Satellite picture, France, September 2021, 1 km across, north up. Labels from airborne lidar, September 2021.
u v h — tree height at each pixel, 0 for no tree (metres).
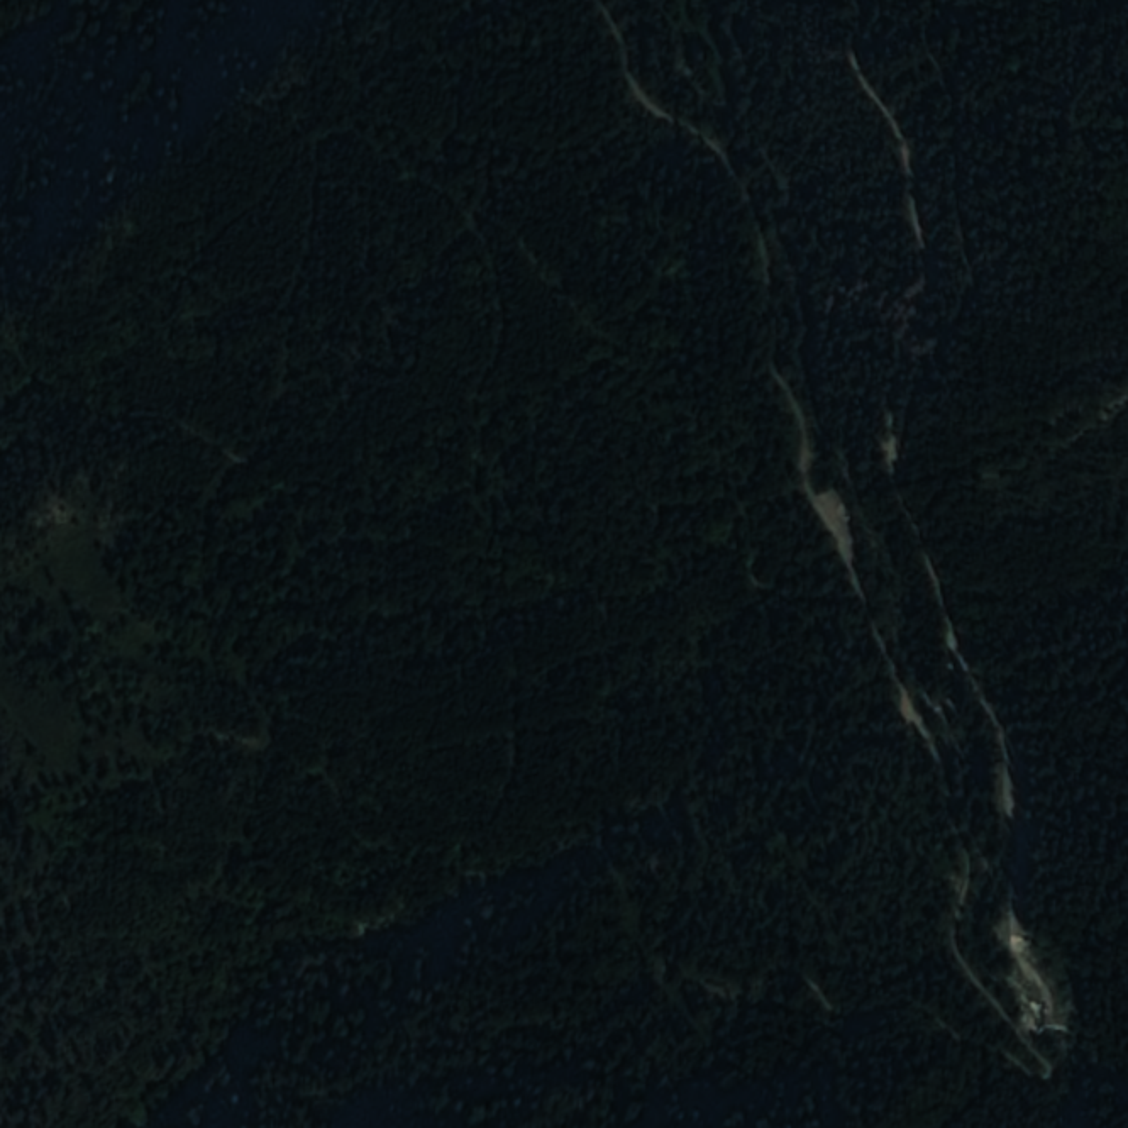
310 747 15
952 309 25
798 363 6
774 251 8
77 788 17
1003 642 11
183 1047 11
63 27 8
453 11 16
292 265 14
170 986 6
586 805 22
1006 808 0
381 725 16
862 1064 14
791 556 19
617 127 13
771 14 19
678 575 9
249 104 8
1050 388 15
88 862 15
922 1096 13
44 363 11
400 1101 8
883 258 27
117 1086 7
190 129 9
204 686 13
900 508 13
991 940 6
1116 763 15
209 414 12
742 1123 8
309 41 16
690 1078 8
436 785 17
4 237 12
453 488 15
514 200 16
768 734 18
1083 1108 10
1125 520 16
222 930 15
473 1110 26
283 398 7
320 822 10
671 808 10
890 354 27
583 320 7
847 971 8
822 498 0
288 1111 9
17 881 17
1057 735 17
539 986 16
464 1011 10
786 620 11
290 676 16
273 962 16
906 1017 11
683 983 10
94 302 16
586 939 8
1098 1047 8
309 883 10
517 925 7
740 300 23
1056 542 14
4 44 12
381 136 22
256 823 9
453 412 20
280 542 15
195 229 21
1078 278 23
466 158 12
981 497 10
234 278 15
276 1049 13
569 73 19
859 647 10
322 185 15
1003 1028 6
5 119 14
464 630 15
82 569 0
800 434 10
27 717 0
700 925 9
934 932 11
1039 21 11
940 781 11
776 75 30
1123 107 13
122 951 13
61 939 11
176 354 8
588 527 9
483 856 22
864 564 14
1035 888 22
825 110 23
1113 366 14
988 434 12
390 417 14
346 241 21
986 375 14
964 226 18
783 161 23
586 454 15
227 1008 6
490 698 19
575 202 20
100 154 12
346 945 21
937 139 29
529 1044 21
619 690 14
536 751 15
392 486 8
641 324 11
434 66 11
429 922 12
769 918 7
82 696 21
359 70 22
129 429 15
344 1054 7
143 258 15
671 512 11
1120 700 18
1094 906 22
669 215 21
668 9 7
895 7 17
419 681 16
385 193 20
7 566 7
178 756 13
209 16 22
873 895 20
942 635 12
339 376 22
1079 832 20
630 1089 10
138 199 13
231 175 22
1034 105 23
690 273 9
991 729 16
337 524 8
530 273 14
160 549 12
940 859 8
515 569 13
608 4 26
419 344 16
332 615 14
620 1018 16
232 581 19
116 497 7
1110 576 9
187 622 17
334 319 20
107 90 20
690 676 10
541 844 13
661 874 8
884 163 22
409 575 25
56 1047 30
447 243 14
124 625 9
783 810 7
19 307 14
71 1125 11
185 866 14
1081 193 9
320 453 19
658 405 12
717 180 13
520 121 15
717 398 19
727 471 9
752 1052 19
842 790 30
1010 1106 7
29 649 8
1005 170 24
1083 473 8
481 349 15
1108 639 23
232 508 17
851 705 10
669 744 17
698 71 18
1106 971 24
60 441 15
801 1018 9
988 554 16
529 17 19
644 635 14
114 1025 15
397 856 11
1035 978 0
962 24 11
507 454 8
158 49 19
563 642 18
